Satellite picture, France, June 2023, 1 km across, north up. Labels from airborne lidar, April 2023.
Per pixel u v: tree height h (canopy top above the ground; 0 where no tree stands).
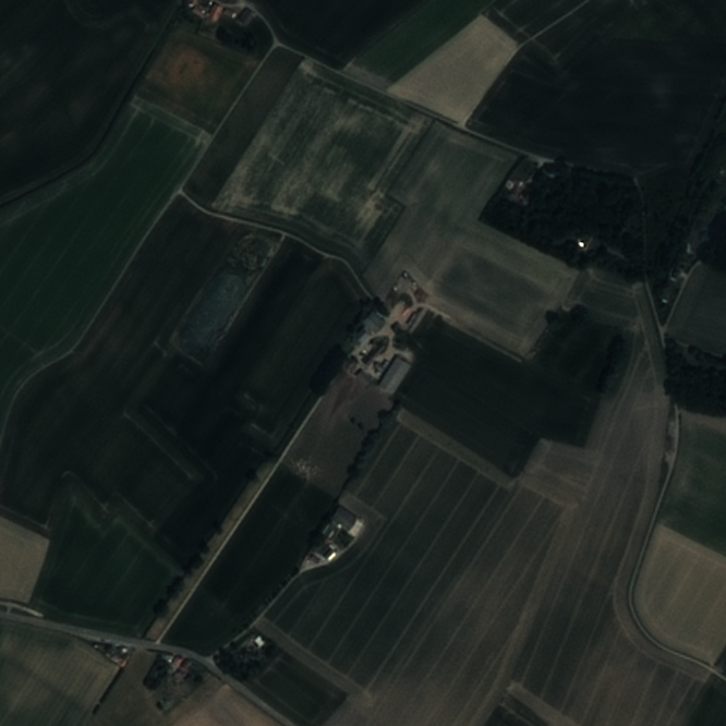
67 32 0
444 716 0
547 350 0
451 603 0
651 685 0
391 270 0
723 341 0
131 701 0
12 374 0
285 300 0
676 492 0
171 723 0
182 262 0
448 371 0
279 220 0
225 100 0
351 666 0
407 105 0
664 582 0
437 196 0
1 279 0
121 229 0
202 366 0
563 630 0
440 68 0
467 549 0
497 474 0
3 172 0
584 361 0
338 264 0
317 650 0
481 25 0
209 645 0
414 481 0
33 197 0
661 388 0
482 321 0
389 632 0
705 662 0
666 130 0
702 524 0
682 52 0
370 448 13
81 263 0
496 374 0
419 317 0
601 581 0
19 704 0
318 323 0
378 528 0
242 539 0
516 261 0
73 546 0
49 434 0
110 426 0
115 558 0
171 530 0
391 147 0
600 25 0
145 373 0
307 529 0
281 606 0
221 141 0
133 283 0
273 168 0
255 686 0
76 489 0
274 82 0
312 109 0
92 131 0
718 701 0
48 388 0
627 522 0
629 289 0
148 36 0
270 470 0
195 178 0
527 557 0
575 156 0
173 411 0
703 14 0
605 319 0
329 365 22
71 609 0
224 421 0
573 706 0
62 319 0
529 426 0
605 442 0
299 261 0
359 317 6
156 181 0
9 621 0
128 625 0
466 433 0
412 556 0
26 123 0
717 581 0
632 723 0
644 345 0
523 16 0
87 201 0
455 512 0
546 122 0
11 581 0
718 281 0
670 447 0
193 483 0
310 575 0
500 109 0
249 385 0
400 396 0
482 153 0
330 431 0
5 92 0
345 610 0
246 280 0
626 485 0
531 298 0
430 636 0
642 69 0
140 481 0
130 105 0
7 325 0
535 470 0
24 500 0
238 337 0
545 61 0
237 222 0
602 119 0
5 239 0
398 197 0
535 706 0
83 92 0
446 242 0
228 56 0
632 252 20
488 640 0
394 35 0
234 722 0
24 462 0
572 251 19
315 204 0
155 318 0
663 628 0
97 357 0
